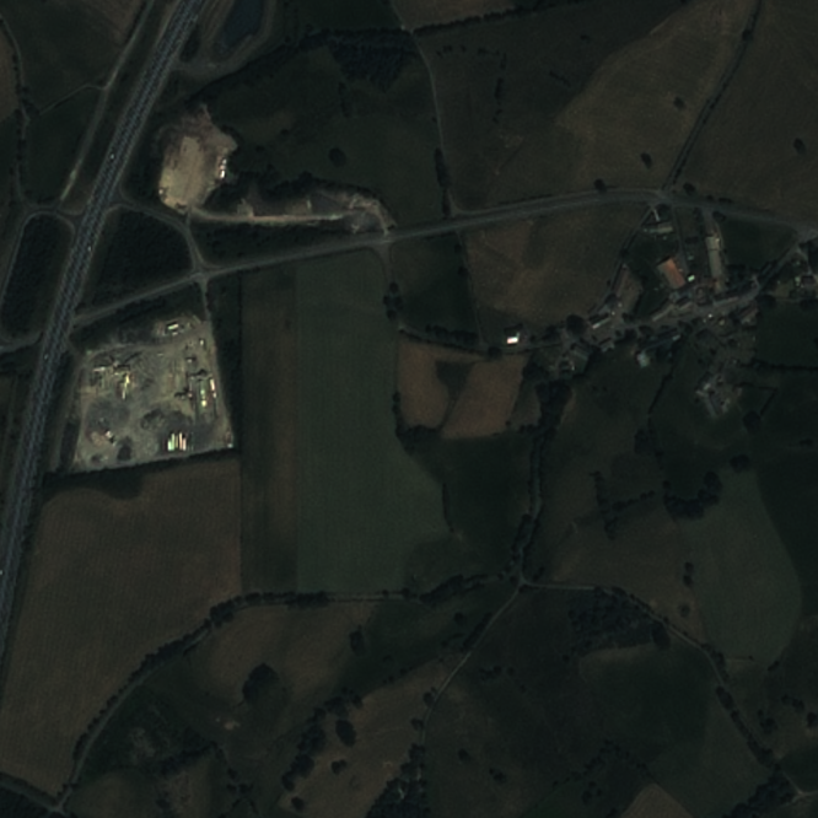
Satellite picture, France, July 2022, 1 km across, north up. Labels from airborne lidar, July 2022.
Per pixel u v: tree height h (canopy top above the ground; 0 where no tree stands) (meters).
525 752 0
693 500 0
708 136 0
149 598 0
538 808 0
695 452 0
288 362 0
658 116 0
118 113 0
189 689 0
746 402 0
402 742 0
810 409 0
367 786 0
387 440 0
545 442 15
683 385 0
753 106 0
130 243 7
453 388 0
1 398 0
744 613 0
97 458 0
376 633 0
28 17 0
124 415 0
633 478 0
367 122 0
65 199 0
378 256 0
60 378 9
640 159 0
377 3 0
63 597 0
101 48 0
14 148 0
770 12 0
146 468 7
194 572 0
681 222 0
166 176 0
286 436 0
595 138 0
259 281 0
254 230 6
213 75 0
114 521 0
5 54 0
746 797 0
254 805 10
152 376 0
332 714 9
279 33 0
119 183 0
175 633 0
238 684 0
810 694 0
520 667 0
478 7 0
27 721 0
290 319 0
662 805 0
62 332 0
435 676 0
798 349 0
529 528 10
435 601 16
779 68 0
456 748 0
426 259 0
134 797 0
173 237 8
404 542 0
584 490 0
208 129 0
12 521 0
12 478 0
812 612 0
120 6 0
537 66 0
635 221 0
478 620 0
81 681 0
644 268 0
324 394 0
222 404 0
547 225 0
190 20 0
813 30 0
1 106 0
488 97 0
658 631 19
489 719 0
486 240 0
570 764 0
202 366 0
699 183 0
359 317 0
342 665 0
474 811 0
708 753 0
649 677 0
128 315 7
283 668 0
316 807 0
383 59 25
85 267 0
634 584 0
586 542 0
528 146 0
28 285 6
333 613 0
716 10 0
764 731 8
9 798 8
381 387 0
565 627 0
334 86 0
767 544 0
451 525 7
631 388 0
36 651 0
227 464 0
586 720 0
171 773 20
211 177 0
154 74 0
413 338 9
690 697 0
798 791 0
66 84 0
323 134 0
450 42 0
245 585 0
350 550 0
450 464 0
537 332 0
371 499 0
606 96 0
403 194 0
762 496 0
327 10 0
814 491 0
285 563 0
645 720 0
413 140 0
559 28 0
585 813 0
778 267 7
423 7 0
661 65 0
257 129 0
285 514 0
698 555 0
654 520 0
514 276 0
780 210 0
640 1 0
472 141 0
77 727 0
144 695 0
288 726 0
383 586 0
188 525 0
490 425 0
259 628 0
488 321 0
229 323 0
